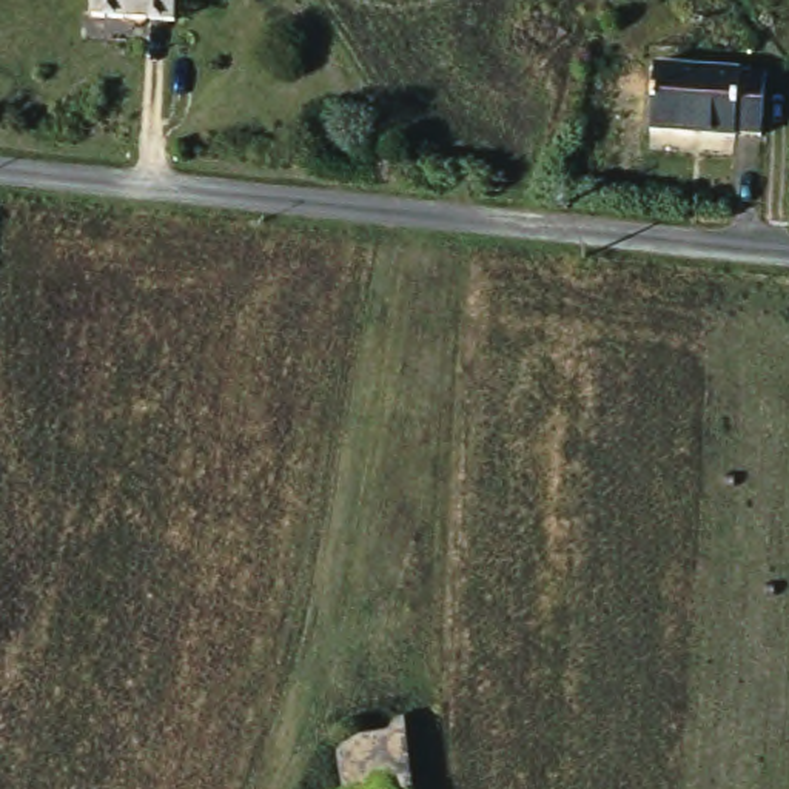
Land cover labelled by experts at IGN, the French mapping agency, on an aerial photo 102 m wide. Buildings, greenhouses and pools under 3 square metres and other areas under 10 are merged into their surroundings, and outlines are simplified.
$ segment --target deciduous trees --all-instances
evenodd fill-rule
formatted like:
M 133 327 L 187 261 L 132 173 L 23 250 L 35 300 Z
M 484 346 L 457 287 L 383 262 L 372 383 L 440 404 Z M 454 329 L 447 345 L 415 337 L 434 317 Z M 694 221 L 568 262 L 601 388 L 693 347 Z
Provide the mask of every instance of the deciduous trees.
M 684 49 L 737 49 L 774 55 L 777 62 L 789 55 L 789 0 L 684 0 L 697 15 L 703 15 L 703 22 L 684 40 Z
M 277 80 L 287 83 L 305 77 L 299 68 L 299 46 L 305 43 L 305 34 L 296 28 L 296 15 L 287 15 L 277 0 L 259 0 L 259 6 L 265 9 L 265 31 L 253 55 L 262 68 L 268 68 Z
M 336 92 L 311 99 L 302 108 L 302 114 L 311 136 L 311 148 L 333 163 L 345 160 L 351 142 L 367 139 L 373 111 L 364 105 L 336 102 Z

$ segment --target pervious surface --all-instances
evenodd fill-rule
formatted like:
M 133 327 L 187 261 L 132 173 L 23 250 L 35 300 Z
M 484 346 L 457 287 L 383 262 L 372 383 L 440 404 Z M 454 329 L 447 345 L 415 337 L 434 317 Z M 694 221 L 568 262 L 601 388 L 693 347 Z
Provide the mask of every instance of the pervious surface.
M 746 148 L 761 142 L 761 133 L 656 126 L 650 129 L 650 145 L 663 151 L 727 154 L 734 145 Z
M 151 173 L 160 173 L 170 163 L 163 139 L 166 68 L 160 59 L 170 49 L 170 28 L 163 22 L 157 22 L 148 37 L 145 52 L 151 59 L 145 62 L 142 77 L 139 163 Z
M 653 80 L 641 74 L 619 77 L 623 92 L 650 99 L 656 89 Z

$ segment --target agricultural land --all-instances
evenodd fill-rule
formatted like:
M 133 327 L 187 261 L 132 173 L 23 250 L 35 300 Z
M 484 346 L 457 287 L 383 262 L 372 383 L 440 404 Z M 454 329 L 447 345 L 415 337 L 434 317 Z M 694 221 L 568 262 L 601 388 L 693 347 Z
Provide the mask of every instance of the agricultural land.
M 391 718 L 404 718 L 410 783 L 413 789 L 789 789 L 789 268 L 653 256 L 552 240 L 490 237 L 468 231 L 385 228 L 339 219 L 284 216 L 277 225 L 280 231 L 290 228 L 290 240 L 296 243 L 302 243 L 302 237 L 370 243 L 364 250 L 364 262 L 373 265 L 373 290 L 388 305 L 388 324 L 364 327 L 364 336 L 354 345 L 358 361 L 351 370 L 345 428 L 339 435 L 330 521 L 321 533 L 314 595 L 305 607 L 305 626 L 296 647 L 296 669 L 284 693 L 280 724 L 271 730 L 271 740 L 265 746 L 265 761 L 271 771 L 268 789 L 296 789 L 308 758 L 317 752 L 324 740 L 330 740 L 339 749 L 354 734 L 379 730 L 388 727 Z
M 536 151 L 552 139 L 555 126 L 564 117 L 570 89 L 570 59 L 576 43 L 589 49 L 595 40 L 601 40 L 601 34 L 595 28 L 595 15 L 604 0 L 321 0 L 314 12 L 327 15 L 333 37 L 348 40 L 354 59 L 367 71 L 364 89 L 336 92 L 336 102 L 364 105 L 373 111 L 367 139 L 391 133 L 395 142 L 404 148 L 407 160 L 475 160 L 487 170 L 487 197 L 505 194 L 509 188 L 527 179 Z

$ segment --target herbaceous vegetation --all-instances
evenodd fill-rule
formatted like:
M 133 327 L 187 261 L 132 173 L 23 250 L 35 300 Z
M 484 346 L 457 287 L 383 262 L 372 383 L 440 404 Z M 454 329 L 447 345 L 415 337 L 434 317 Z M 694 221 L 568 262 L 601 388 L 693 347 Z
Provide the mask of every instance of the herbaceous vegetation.
M 160 59 L 166 68 L 163 139 L 170 163 L 179 176 L 247 185 L 317 188 L 321 182 L 302 176 L 296 166 L 274 170 L 268 176 L 256 166 L 240 166 L 237 157 L 170 154 L 170 148 L 182 136 L 191 133 L 203 136 L 206 129 L 243 123 L 268 129 L 271 120 L 293 120 L 302 114 L 302 108 L 311 99 L 336 92 L 364 89 L 367 71 L 354 59 L 348 40 L 333 37 L 327 15 L 314 12 L 321 0 L 277 0 L 287 15 L 296 15 L 296 28 L 305 34 L 305 43 L 299 46 L 299 68 L 305 77 L 287 83 L 277 80 L 268 68 L 262 68 L 253 55 L 265 31 L 265 9 L 259 6 L 259 0 L 173 0 L 173 22 L 163 22 L 170 28 L 170 49 Z
M 656 194 L 669 188 L 681 191 L 684 197 L 706 194 L 709 200 L 724 203 L 730 213 L 737 216 L 743 210 L 755 210 L 761 222 L 767 222 L 767 216 L 777 216 L 783 225 L 789 225 L 789 123 L 761 133 L 761 142 L 746 148 L 734 145 L 727 154 L 663 151 L 650 145 L 650 129 L 656 126 L 650 120 L 650 99 L 623 92 L 619 77 L 641 74 L 653 80 L 653 68 L 660 62 L 669 62 L 675 52 L 684 49 L 684 40 L 703 22 L 703 15 L 697 15 L 684 0 L 650 0 L 644 18 L 638 18 L 629 28 L 616 25 L 613 31 L 601 34 L 601 40 L 595 40 L 589 49 L 583 92 L 586 126 L 579 145 L 564 157 L 564 176 L 592 179 L 601 191 L 647 188 Z
M 151 59 L 145 52 L 148 37 L 80 37 L 80 18 L 89 12 L 86 6 L 92 0 L 0 0 L 0 99 L 18 99 L 31 86 L 34 99 L 49 111 L 62 99 L 80 92 L 74 111 L 86 114 L 92 129 L 86 142 L 40 145 L 31 133 L 0 126 L 0 157 L 108 170 L 133 170 L 139 163 L 142 77 L 145 62 Z M 126 96 L 117 114 L 99 117 L 96 108 L 102 102 L 102 83 L 108 77 L 120 77 Z
M 354 345 L 364 336 L 364 327 L 388 324 L 388 305 L 373 290 L 373 265 L 364 262 L 364 250 L 370 243 L 302 237 L 302 243 L 296 243 L 290 240 L 290 228 L 280 231 L 277 225 L 284 216 L 225 206 L 194 206 L 176 200 L 129 200 L 0 185 L 0 789 L 268 789 L 271 771 L 265 761 L 265 746 L 271 740 L 271 730 L 280 724 L 284 693 L 296 669 L 296 647 L 305 626 L 305 607 L 314 595 L 321 533 L 330 521 L 339 435 L 345 428 L 351 370 L 358 361 Z

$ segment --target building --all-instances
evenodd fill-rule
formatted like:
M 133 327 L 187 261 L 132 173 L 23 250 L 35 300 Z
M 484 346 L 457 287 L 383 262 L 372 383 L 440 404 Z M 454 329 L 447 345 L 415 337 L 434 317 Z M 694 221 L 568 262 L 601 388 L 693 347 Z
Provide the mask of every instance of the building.
M 86 6 L 89 12 L 92 18 L 114 22 L 157 22 L 163 22 L 173 22 L 173 0 L 92 0 Z
M 650 99 L 650 120 L 656 126 L 761 133 L 789 123 L 789 55 L 777 62 L 774 55 L 737 49 L 684 49 L 675 52 L 669 62 L 660 62 L 653 68 L 653 80 L 656 89 Z

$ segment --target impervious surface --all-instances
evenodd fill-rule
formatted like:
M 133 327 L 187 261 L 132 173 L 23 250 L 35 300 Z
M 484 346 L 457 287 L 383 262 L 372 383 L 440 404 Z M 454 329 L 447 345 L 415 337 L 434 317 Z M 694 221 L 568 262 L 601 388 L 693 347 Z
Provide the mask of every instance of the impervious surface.
M 92 18 L 89 12 L 80 18 L 80 37 L 148 37 L 157 22 L 114 22 Z
M 653 256 L 789 268 L 789 225 L 783 225 L 777 216 L 767 216 L 767 222 L 761 222 L 755 210 L 743 210 L 737 216 L 730 213 L 724 225 L 678 228 L 666 222 L 610 219 L 601 213 L 555 216 L 549 210 L 496 210 L 462 203 L 459 197 L 379 197 L 367 194 L 358 185 L 321 182 L 317 188 L 247 185 L 179 176 L 170 163 L 160 173 L 151 173 L 139 163 L 133 170 L 108 170 L 0 157 L 0 185 L 129 200 L 176 200 L 194 206 L 225 206 L 284 216 L 339 219 L 385 228 L 468 231 L 490 237 L 552 240 Z
M 388 727 L 379 730 L 354 734 L 339 749 L 336 764 L 342 783 L 361 783 L 373 771 L 388 771 L 398 780 L 398 786 L 410 783 L 404 718 L 391 718 Z

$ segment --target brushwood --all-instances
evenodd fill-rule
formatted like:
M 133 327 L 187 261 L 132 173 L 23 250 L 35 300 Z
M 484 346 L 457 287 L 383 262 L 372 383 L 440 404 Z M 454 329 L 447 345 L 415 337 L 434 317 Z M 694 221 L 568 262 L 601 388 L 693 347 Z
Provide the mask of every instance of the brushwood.
M 616 25 L 629 28 L 638 18 L 644 18 L 650 0 L 604 0 L 595 15 L 595 28 L 601 34 L 613 31 Z
M 724 225 L 730 213 L 724 203 L 709 200 L 706 194 L 684 197 L 681 191 L 669 188 L 656 194 L 647 188 L 601 191 L 592 179 L 564 176 L 564 157 L 579 145 L 586 126 L 583 92 L 589 49 L 576 43 L 570 59 L 570 89 L 564 117 L 555 126 L 552 139 L 536 151 L 527 179 L 509 188 L 505 194 L 487 197 L 487 170 L 475 160 L 407 160 L 404 148 L 395 142 L 391 133 L 367 139 L 351 142 L 345 160 L 333 163 L 311 148 L 311 136 L 302 114 L 293 120 L 271 120 L 268 129 L 243 123 L 206 129 L 203 136 L 191 133 L 182 136 L 170 148 L 170 154 L 237 157 L 240 166 L 256 166 L 268 176 L 274 170 L 296 166 L 302 176 L 321 182 L 358 185 L 367 194 L 379 197 L 459 197 L 462 203 L 496 210 L 549 210 L 555 216 L 601 213 L 610 219 L 666 222 L 678 228 Z
M 398 786 L 398 780 L 388 771 L 373 771 L 361 783 L 342 783 L 336 764 L 339 749 L 330 740 L 324 740 L 317 752 L 308 758 L 296 789 L 413 789 L 410 783 Z
M 99 117 L 117 114 L 126 96 L 120 77 L 108 77 L 102 83 L 102 102 L 96 108 Z
M 0 99 L 0 126 L 31 133 L 40 145 L 86 142 L 92 129 L 86 114 L 74 111 L 80 92 L 62 99 L 49 111 L 34 99 L 31 86 L 18 99 Z

